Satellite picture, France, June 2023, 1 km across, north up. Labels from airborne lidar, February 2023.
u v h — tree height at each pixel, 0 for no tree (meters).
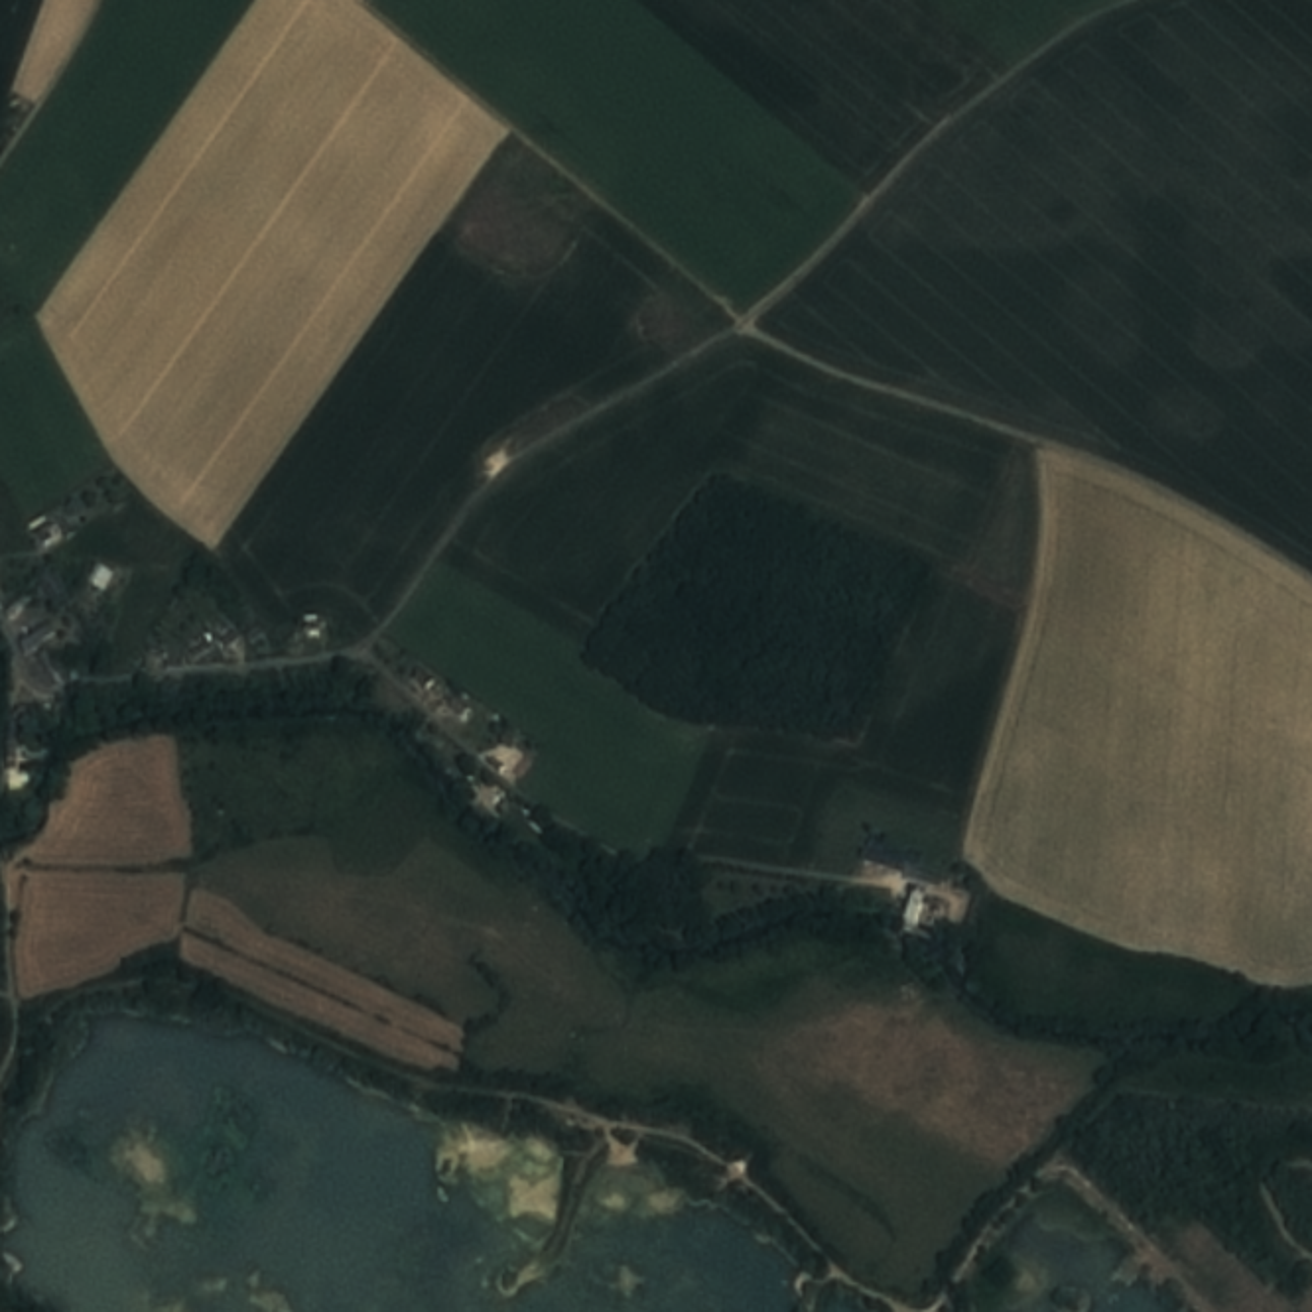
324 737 0
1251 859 0
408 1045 0
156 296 0
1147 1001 0
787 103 0
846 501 0
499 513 0
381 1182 0
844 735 14
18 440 0
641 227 0
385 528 0
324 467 0
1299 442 0
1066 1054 0
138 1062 0
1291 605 0
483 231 0
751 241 0
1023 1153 0
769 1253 0
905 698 0
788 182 0
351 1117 0
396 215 0
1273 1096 0
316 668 5
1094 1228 0
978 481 0
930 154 0
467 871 0
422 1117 0
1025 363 0
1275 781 0
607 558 0
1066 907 0
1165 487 0
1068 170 0
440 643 0
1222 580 0
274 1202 0
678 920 25
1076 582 0
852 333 0
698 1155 0
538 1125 11
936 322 0
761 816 0
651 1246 0
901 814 0
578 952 0
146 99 0
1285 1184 10
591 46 0
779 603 19
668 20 0
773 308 0
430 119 0
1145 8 0
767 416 0
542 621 0
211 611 0
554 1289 0
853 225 0
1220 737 0
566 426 0
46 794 19
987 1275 9
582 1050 0
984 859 0
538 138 0
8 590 6
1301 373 0
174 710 12
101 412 0
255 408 0
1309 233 0
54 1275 0
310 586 0
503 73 0
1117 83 0
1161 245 0
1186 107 0
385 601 0
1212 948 0
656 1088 0
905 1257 0
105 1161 0
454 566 0
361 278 0
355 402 0
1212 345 0
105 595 7
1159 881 0
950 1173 0
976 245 0
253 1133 0
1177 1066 0
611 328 0
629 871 20
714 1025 0
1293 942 0
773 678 18
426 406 0
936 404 0
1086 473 0
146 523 0
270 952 0
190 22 0
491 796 0
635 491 0
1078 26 0
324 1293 0
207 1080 0
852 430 0
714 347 0
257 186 0
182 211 0
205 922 0
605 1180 0
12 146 0
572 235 0
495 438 0
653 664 9
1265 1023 14
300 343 0
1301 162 0
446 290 0
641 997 0
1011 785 0
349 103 0
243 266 0
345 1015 0
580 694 0
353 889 0
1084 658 0
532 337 0
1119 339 0
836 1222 0
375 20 0
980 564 0
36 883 0
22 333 0
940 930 9
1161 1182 12
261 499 0
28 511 0
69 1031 8
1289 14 0
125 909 0
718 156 0
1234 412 0
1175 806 0
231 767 0
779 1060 0
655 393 0
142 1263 0
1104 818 0
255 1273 0
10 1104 7
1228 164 0
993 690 0
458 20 0
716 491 9
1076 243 0
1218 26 0
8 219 0
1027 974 0
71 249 0
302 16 0
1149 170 0
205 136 0
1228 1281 0
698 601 15
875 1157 0
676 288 0
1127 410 0
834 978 0
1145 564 0
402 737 18
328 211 0
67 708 7
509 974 0
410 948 0
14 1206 0
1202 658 0
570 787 0
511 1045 0
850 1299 12
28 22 0
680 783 0
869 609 18
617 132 0
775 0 0
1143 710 0
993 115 0
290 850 0
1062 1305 8
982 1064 0
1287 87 0
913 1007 0
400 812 0
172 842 0
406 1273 0
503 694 0
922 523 0
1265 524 0
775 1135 0
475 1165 0
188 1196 0
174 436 0
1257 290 0
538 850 10
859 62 0
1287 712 0
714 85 0
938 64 0
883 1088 0
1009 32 0
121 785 0
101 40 0
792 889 10
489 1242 0
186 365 0
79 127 0
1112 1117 8
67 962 0
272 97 0
